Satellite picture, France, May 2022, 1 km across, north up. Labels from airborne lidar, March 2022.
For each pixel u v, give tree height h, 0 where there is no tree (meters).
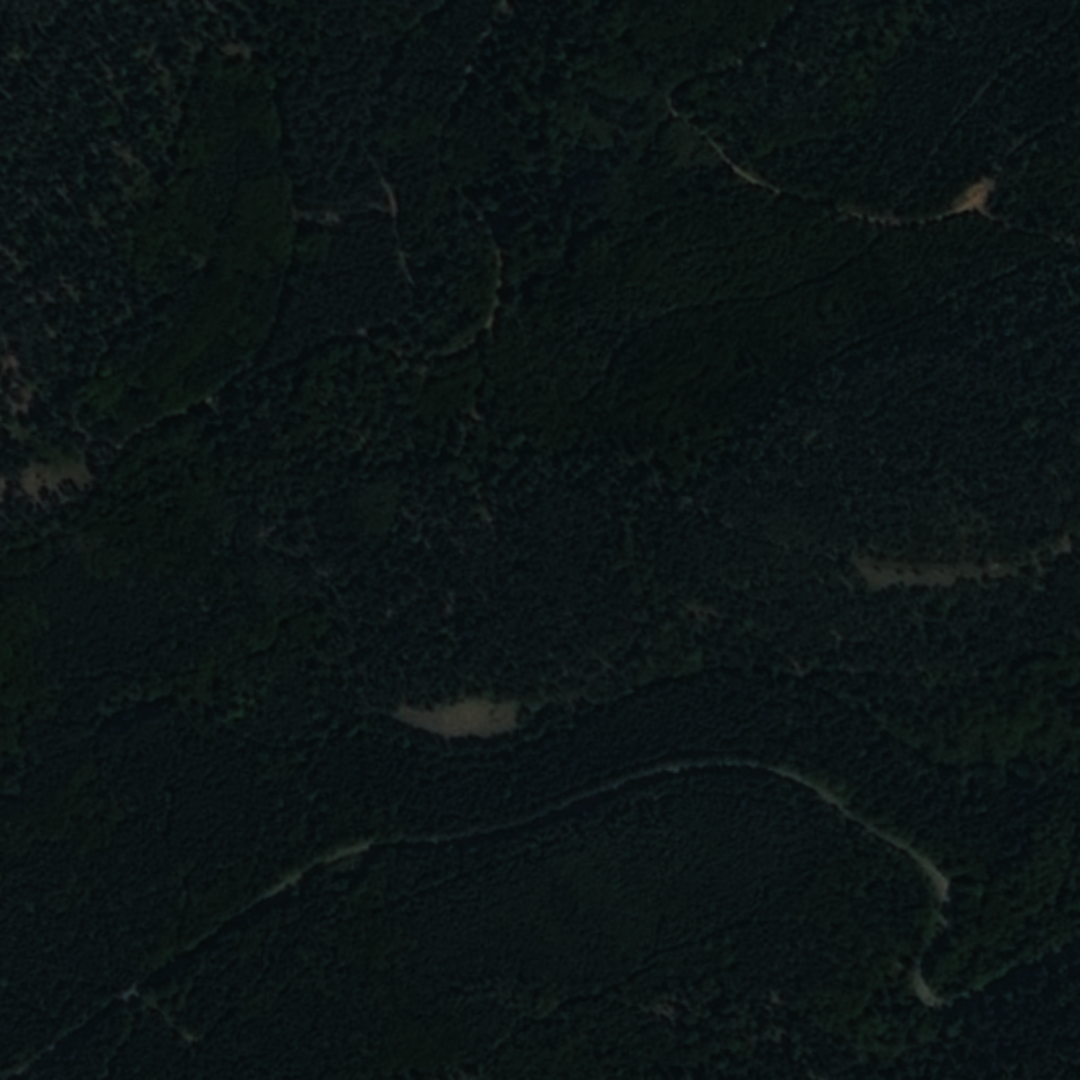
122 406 21
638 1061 13
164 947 20
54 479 0
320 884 21
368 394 21
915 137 9
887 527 17
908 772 23
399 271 22
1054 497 19
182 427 20
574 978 14
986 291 13
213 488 20
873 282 8
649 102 13
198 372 18
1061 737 8
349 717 16
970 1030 28
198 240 17
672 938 12
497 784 20
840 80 8
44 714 20
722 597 25
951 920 19
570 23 34
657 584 25
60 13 34
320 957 20
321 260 21
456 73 26
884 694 21
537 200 40
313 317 20
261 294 20
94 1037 21
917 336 11
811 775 19
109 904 17
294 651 16
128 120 34
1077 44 11
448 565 25
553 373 12
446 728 0
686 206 11
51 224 9
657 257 8
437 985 15
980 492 25
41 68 34
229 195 15
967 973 20
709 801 14
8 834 20
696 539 22
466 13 27
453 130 22
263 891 12
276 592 22
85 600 16
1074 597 20
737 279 8
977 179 10
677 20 19
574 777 21
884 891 26
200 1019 22
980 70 9
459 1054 12
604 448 11
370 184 35
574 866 6
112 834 23
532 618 26
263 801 22
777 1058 33
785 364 10
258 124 21
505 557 22
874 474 21
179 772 14
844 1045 36
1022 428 16
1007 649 27
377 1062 19
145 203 7
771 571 18
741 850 18
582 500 25
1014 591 21
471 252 26
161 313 20
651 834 7
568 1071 12
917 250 7
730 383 11
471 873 16
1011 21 6
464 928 14
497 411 25
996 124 25
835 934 22
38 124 11
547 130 28
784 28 20
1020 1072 31
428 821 19
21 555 12
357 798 19
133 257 14
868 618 22
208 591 18
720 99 17
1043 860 24
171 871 18
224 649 17
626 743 20
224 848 21
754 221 7
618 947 12
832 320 7
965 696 19
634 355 10
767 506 15
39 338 34
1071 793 24
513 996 8
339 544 22
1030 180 7
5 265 31
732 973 20
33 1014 19
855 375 26
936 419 20
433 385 13
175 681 13
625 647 13
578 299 13
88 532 17
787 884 19
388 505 20
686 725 26
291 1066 21
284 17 23
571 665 29
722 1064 26
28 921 22
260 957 19
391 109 29
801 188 11
